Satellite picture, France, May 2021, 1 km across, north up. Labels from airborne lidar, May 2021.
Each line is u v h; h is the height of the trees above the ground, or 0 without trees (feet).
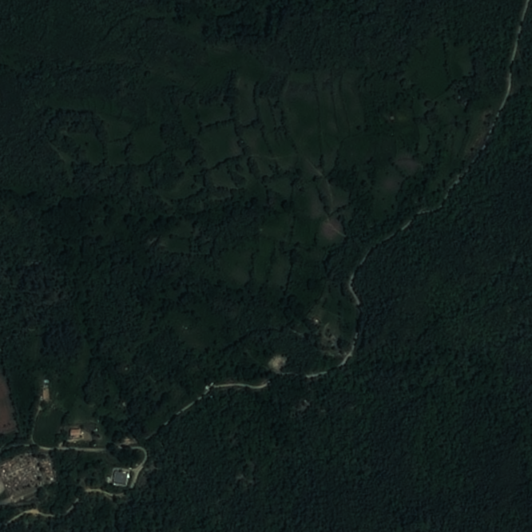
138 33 29
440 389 59
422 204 41
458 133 0
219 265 26
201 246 47
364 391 42
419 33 50
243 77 0
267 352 43
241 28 94
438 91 0
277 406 66
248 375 52
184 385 50
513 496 26
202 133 27
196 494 34
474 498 31
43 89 63
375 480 35
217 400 55
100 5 31
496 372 68
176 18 41
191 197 32
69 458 44
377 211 0
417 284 37
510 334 48
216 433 38
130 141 34
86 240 75
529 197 30
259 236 27
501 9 37
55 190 54
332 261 52
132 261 56
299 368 29
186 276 40
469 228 21
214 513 19
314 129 0
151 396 38
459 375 73
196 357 58
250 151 35
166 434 29
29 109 27
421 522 73
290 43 23
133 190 43
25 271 47
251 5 83
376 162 30
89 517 40
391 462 21
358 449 49
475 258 46
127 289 21
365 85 22
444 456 42
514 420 47
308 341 56
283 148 0
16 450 48
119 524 45
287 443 74
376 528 33
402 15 40
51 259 39
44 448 0
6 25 37
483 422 51
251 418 23
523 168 49
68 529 31
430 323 38
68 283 53
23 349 39
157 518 64
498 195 22
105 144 24
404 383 55
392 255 32
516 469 29
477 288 58
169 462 46
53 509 47
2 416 0
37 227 33
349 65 24
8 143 24
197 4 82
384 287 51
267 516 58
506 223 33
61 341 74
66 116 70
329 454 31
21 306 57
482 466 31
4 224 28
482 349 45
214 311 23
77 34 24
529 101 56
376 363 31
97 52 20
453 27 20
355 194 23
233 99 60
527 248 43
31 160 22
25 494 0
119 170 31
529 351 20
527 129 60
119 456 67
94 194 58
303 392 34
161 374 34
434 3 60
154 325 32
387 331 41
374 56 32
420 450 55
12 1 29
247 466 43
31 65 29
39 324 34
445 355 91
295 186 44
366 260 20
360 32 38
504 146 25
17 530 44
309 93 0
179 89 33
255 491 34
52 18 26
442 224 49
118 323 29
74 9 22
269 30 57
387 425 31
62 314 24
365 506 36
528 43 36
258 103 26
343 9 22
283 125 26
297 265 22
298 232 0
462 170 34
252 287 50
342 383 47
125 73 30
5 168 38
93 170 41
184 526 25
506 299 30
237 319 26
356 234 31
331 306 0
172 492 50
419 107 0
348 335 0
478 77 50
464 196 31
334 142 0
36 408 38
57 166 48
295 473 43
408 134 0
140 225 61
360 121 0
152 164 28
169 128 51
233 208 51
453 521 36
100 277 18
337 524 36
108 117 0
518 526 37
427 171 23
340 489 35
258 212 68
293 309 67
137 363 52
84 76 56
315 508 39
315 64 35
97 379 46
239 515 43
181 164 39
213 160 0
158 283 78
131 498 25
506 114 27
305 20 48
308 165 0
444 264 23
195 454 28
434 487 50
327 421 28
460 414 35
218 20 67
